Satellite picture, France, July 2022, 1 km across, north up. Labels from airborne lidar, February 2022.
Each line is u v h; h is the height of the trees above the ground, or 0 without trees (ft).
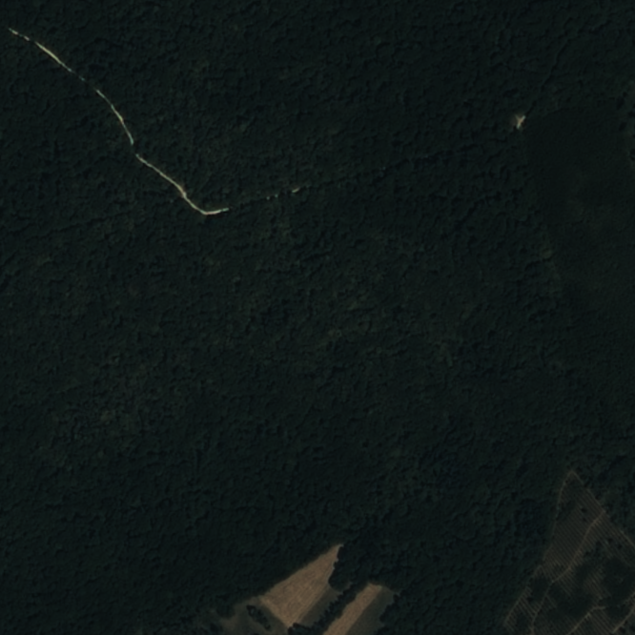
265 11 73
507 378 60
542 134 30
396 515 78
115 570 67
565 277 24
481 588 48
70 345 56
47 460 75
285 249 62
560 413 67
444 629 76
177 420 69
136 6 49
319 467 79
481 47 86
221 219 60
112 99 66
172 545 73
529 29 87
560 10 82
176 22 63
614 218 25
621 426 31
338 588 63
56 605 86
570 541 0
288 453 71
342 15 88
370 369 73
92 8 86
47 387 66
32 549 69
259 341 71
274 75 62
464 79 85
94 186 63
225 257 62
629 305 35
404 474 65
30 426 77
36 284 41
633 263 31
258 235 55
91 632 84
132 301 70
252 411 75
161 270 58
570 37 85
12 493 79
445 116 50
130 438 63
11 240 80
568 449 60
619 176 32
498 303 69
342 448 70
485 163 83
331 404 68
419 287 67
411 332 74
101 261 62
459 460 69
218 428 71
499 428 76
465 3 73
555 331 86
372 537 67
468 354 84
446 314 59
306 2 69
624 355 37
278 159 23
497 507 62
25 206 83
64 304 65
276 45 57
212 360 64
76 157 80
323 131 58
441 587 56
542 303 91
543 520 77
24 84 78
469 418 67
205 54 66
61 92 65
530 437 66
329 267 68
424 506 68
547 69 82
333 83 81
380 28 72
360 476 71
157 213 66
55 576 72
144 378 66
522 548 60
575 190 22
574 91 75
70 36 77
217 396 68
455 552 84
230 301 63
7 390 73
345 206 92
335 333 61
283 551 79
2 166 69
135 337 49
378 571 62
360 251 69
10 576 73
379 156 79
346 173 52
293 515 77
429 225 86
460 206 88
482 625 73
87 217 63
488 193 95
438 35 99
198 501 73
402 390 67
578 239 34
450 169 87
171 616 79
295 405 73
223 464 86
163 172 46
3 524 71
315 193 61
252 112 84
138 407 52
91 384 60
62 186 60
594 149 29
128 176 73
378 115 93
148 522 81
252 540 81
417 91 78
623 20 66
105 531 75
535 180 27
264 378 75
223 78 61
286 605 0
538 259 51
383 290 70
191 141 38
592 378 28
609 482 80
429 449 64
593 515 0
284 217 52
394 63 54
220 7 61
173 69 62
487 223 91
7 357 72
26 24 66
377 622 0
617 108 28
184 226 48
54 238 64
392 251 55
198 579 88
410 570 89
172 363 70
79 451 81
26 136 59
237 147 56
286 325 60
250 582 74
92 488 65
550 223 25
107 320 66
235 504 89
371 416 75
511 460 67
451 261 68
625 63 73
